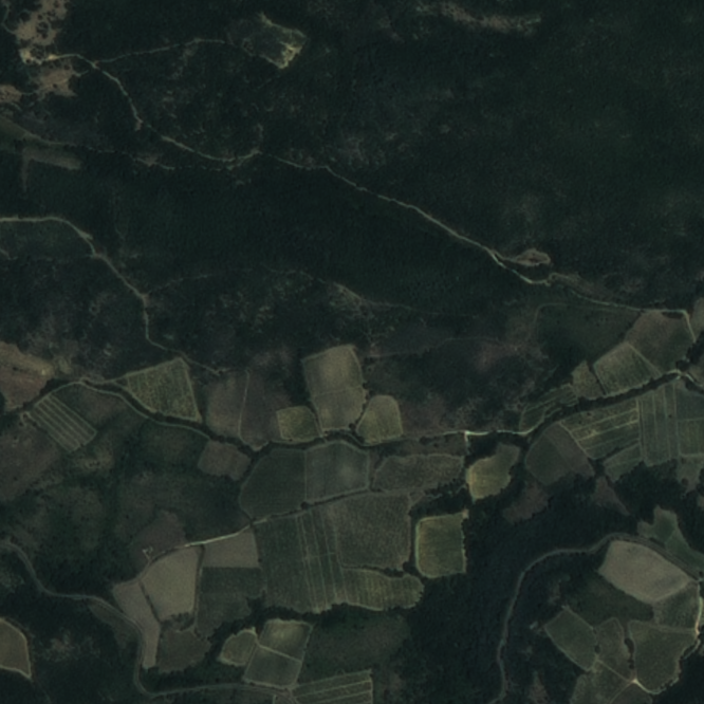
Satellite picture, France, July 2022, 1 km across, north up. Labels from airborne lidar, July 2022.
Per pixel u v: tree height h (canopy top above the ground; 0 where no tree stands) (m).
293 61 6
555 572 6
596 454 0
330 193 11
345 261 7
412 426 0
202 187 11
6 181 8
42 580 7
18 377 0
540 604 7
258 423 0
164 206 7
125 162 8
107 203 6
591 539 11
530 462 0
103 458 0
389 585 0
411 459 0
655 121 10
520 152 8
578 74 9
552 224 6
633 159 9
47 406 0
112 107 9
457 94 7
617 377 0
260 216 7
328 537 0
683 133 7
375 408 0
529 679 7
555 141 9
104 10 9
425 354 7
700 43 7
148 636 0
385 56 6
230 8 7
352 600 0
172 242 7
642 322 0
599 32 8
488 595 10
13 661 0
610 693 0
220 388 0
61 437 0
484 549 13
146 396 0
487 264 9
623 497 8
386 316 7
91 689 7
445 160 9
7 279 9
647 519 9
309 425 0
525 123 7
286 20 11
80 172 7
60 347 0
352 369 0
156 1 7
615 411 0
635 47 8
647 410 0
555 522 7
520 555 10
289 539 0
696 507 7
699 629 6
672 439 0
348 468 0
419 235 9
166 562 0
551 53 7
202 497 0
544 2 6
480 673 9
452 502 8
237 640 0
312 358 0
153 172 9
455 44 7
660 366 0
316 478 0
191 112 6
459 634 14
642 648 0
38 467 0
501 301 6
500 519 12
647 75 8
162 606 0
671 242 7
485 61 7
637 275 8
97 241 6
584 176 6
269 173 9
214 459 0
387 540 0
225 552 0
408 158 6
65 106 6
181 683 7
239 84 8
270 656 0
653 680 0
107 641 8
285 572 0
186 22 9
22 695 6
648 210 6
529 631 7
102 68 7
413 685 6
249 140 6
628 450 0
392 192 8
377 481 0
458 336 7
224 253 8
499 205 7
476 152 9
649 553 0
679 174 10
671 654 0
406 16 7
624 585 0
